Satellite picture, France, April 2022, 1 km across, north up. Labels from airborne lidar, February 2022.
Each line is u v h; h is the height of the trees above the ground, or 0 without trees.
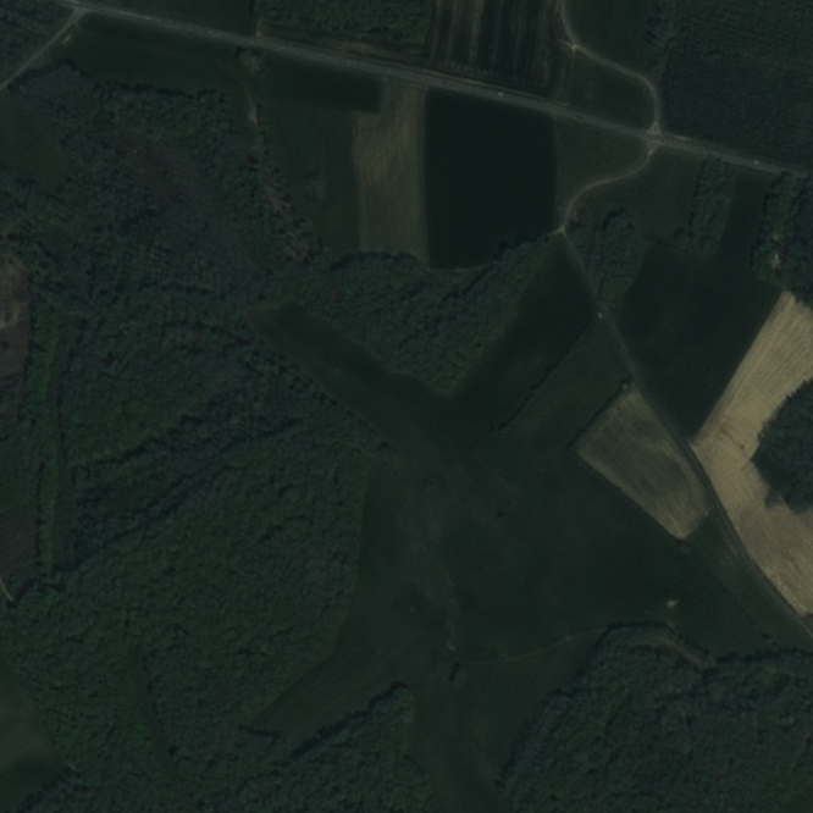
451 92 0
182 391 25
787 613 0
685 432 0
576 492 0
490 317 25
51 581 21
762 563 0
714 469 0
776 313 0
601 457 0
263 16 17
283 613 22
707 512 0
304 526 22
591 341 0
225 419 22
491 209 0
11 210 23
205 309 29
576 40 0
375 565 0
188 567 18
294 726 0
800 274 19
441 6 0
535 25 0
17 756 0
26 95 21
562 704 15
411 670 0
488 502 0
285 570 27
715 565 0
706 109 6
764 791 27
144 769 28
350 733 19
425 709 0
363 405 0
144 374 24
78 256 7
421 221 0
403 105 0
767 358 0
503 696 0
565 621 0
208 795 17
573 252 0
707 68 7
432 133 0
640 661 22
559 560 0
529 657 0
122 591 22
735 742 22
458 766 0
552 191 0
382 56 0
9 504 9
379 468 0
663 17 22
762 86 6
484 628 0
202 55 0
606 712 21
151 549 22
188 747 26
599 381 0
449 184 0
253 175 28
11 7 17
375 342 27
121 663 18
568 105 0
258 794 27
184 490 17
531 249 24
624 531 0
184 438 16
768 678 24
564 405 0
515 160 0
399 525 0
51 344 24
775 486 0
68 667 23
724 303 0
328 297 22
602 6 0
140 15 0
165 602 22
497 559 0
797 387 0
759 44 6
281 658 23
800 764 9
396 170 0
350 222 0
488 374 0
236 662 23
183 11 0
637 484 0
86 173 19
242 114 0
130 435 22
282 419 28
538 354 0
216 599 23
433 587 0
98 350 23
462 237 0
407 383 0
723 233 12
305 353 0
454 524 0
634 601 0
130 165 30
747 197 0
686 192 0
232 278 21
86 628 26
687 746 27
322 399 9
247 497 25
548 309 0
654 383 0
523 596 0
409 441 0
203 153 9
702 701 24
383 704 18
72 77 23
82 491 13
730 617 0
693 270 0
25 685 17
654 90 0
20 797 0
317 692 0
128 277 18
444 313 16
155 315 26
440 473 0
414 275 20
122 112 33
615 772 21
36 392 18
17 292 0
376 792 22
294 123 0
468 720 0
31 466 13
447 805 0
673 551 0
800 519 0
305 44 0
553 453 0
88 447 22
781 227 23
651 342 0
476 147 0
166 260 23
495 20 0
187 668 21
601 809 22
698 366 0
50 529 22
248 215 25
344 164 0
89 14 0
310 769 22
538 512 0
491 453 0
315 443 29
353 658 0
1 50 24
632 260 25
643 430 0
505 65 0
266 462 27
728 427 0
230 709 26
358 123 0
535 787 24
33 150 0
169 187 0
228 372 25
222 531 24
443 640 0
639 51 0
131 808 19
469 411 0
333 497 23
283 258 23
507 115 0
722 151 0
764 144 7
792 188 21
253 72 0
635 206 0
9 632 22
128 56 0
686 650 20
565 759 20
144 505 11
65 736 18
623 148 0
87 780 23
